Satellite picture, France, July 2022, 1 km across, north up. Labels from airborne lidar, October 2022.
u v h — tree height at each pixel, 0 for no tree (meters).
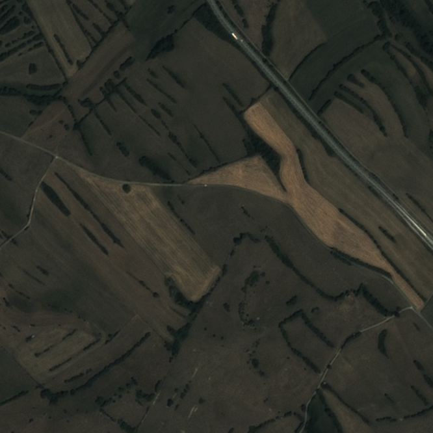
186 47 0
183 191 0
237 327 0
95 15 0
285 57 0
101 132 0
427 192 0
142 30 0
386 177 0
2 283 0
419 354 0
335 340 0
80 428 0
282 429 0
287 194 0
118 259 0
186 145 0
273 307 0
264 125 0
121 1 8
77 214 0
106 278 0
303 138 0
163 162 0
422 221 0
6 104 0
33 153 0
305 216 0
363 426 0
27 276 0
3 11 10
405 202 0
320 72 0
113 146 0
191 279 0
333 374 0
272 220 0
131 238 0
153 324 0
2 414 0
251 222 0
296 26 0
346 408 0
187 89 0
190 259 0
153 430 0
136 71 0
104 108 0
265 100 0
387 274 7
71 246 0
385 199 0
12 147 0
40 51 0
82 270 0
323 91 0
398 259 0
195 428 0
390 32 6
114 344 0
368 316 0
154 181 0
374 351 0
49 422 0
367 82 0
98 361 0
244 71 0
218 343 0
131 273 0
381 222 0
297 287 0
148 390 0
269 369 0
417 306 0
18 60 0
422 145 0
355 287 0
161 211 0
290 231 0
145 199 0
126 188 8
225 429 0
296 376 0
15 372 0
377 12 6
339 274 0
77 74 0
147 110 0
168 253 0
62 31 0
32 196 0
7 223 0
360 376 0
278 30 0
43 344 0
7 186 0
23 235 0
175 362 0
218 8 0
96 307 0
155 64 0
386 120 0
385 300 0
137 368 0
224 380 0
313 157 0
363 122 0
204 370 0
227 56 0
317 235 0
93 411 0
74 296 0
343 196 0
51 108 0
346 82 0
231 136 0
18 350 0
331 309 0
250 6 0
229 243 0
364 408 0
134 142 0
